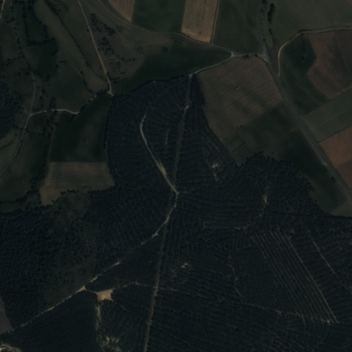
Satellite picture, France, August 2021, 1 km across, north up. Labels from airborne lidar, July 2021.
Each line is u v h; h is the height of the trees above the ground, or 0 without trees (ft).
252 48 0
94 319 19
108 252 31
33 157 0
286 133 0
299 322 44
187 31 0
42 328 51
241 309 39
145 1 0
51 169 0
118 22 0
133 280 27
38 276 42
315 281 32
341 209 0
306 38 0
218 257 52
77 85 0
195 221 35
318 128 0
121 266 37
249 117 0
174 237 47
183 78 40
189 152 39
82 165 0
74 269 0
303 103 0
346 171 0
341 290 45
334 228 39
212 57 0
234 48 0
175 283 33
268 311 40
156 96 47
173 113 33
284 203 26
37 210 51
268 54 0
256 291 41
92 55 0
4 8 0
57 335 49
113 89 0
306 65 0
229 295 44
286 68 0
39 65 0
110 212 44
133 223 46
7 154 0
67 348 49
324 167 0
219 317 38
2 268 50
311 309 37
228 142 0
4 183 0
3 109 27
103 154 0
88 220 18
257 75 0
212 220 37
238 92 0
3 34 0
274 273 40
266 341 26
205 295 52
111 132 49
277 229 50
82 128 0
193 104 38
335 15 0
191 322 54
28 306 40
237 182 43
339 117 0
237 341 46
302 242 48
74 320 41
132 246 35
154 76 0
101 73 0
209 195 34
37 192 31
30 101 0
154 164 39
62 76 0
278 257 46
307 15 0
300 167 0
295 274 39
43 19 0
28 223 57
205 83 0
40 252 24
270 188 21
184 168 48
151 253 39
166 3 0
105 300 30
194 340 39
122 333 27
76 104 0
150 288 31
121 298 47
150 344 40
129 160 58
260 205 35
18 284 51
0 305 0
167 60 0
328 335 34
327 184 0
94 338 33
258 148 0
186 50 0
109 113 34
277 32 0
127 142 48
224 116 0
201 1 0
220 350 47
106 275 41
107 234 37
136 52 0
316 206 39
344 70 0
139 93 53
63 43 0
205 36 0
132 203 53
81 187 0
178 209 34
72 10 0
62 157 0
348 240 48
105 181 0
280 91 0
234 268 49
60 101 0
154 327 43
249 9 0
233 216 46
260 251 46
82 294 37
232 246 40
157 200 52
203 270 46
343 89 0
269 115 0
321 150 0
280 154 0
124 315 41
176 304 46
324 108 0
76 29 0
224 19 0
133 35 0
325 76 0
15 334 34
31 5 37
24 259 60
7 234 44
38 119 0
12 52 0
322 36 0
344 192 0
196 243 37
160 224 31
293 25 0
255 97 0
